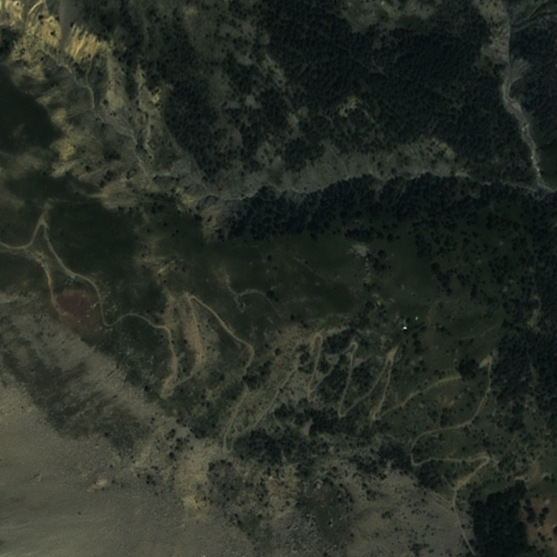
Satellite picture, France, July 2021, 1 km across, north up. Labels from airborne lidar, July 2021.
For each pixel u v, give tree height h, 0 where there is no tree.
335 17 22
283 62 7
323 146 9
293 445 7
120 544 0
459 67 25
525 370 9
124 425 0
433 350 0
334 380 6
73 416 0
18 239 0
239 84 12
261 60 8
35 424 0
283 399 0
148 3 0
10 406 0
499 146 14
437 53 31
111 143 0
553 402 13
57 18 8
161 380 0
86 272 0
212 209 0
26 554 0
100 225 0
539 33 8
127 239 0
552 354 15
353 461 7
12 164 0
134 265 0
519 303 16
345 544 0
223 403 0
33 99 0
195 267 0
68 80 0
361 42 21
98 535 0
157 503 0
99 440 0
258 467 0
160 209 10
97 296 0
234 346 0
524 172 12
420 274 0
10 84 0
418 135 9
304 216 21
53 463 0
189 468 0
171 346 0
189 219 0
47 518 0
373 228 12
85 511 0
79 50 0
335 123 13
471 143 17
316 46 23
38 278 0
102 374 0
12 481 0
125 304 0
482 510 24
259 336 0
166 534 0
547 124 13
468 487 13
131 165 0
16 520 0
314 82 18
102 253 0
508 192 18
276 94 17
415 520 0
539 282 11
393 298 0
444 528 0
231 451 0
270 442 10
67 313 0
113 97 0
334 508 0
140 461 0
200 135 10
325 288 0
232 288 0
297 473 7
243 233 16
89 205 0
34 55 0
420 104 21
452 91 8
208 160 9
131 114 0
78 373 0
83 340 0
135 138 0
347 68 25
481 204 21
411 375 0
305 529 0
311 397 0
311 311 0
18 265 0
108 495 0
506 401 10
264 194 12
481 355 0
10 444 0
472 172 6
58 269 0
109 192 0
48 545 0
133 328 0
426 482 8
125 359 0
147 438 0
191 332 0
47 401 0
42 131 0
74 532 0
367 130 9
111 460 0
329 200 15
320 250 0
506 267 13
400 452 11
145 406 0
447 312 0
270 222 21
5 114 0
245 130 16
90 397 0
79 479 0
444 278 16
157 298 0
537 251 9
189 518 0
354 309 0
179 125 10
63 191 0
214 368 0
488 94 17
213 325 0
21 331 0
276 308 0
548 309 16
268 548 0
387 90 21
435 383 0
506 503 17
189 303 0
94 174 0
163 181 0
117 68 0
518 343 9
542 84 9
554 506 0
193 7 0
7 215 0
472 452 0
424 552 0
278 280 0
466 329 0
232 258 0
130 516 0
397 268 0
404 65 19
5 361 0
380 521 0
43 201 0
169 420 0
